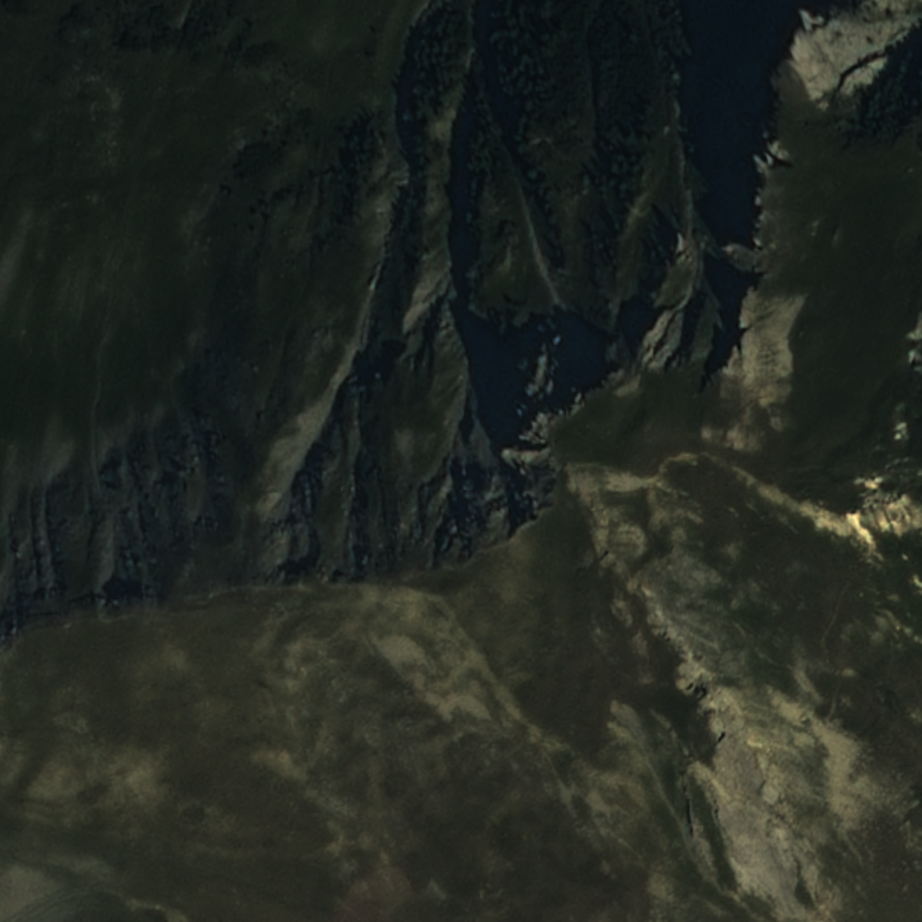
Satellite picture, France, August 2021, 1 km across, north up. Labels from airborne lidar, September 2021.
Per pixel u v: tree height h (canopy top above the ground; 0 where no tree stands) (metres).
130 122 0
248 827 0
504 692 0
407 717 0
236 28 0
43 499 0
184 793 0
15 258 0
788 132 0
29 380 0
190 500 0
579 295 0
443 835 0
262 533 0
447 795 0
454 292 0
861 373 0
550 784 0
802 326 0
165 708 0
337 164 0
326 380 0
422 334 0
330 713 0
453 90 10
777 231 0
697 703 0
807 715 0
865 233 0
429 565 0
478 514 0
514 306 8
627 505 0
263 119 0
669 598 0
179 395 0
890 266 0
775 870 0
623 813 0
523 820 0
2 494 0
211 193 0
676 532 0
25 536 0
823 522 0
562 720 0
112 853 0
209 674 0
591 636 0
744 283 0
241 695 0
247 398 0
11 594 0
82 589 0
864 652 0
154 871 0
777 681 0
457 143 0
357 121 0
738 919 0
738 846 0
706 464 0
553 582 0
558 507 0
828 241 0
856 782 0
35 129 0
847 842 0
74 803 0
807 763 0
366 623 0
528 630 0
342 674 0
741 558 0
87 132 0
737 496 0
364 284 0
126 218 0
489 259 0
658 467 0
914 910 0
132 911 0
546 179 7
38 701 0
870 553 0
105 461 0
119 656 0
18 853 0
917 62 7
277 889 0
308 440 0
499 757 0
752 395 0
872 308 0
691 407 0
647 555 0
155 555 0
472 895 0
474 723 0
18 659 0
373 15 0
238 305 0
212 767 0
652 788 0
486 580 0
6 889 0
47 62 0
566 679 0
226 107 0
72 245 0
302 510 0
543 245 0
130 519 0
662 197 0
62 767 0
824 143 0
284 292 0
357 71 0
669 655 0
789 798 0
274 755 0
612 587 0
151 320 0
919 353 0
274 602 0
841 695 0
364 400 0
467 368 0
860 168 0
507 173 5
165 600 0
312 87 0
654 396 0
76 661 0
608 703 0
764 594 0
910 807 0
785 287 0
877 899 0
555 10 10
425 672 0
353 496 0
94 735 0
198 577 0
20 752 0
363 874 0
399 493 0
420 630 0
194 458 0
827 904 0
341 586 0
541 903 0
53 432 0
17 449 0
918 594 0
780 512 0
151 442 0
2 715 0
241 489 0
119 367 0
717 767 0
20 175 0
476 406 0
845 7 8
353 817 0
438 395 0
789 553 0
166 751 0
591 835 0
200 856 0
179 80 0
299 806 0
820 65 0
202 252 0
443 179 0
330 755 0
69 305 0
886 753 0
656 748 0
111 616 0
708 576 0
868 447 0
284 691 0
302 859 0
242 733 0
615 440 0
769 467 0
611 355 0
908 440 0
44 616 0
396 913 0
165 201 0
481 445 0
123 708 0
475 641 0
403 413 0
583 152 0
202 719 0
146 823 0
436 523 0
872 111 14
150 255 0
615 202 0
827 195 0
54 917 0
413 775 0
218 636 0
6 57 0
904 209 0
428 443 0
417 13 0
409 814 0
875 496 0
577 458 0
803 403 0
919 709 0
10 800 0
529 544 0
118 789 0
